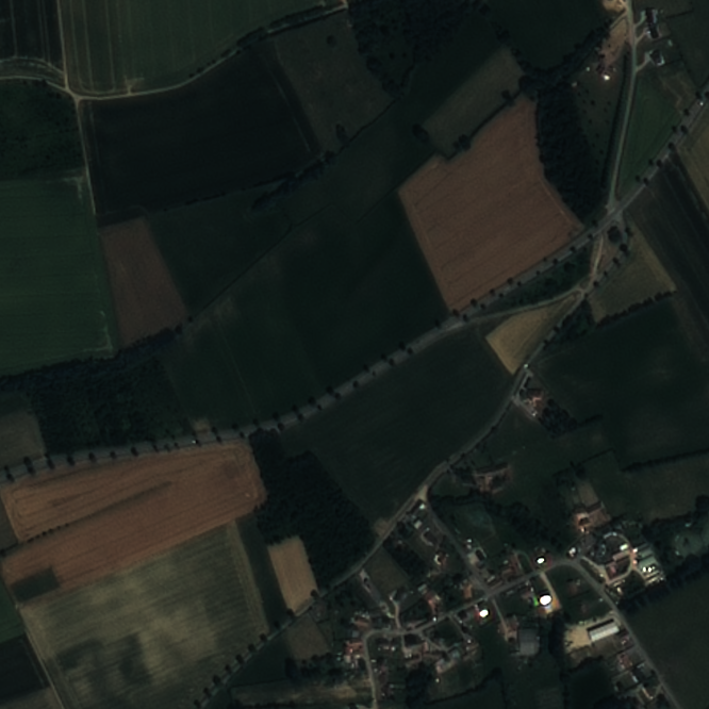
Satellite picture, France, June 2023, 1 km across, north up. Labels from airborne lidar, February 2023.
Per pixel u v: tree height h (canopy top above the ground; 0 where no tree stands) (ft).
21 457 0
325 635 0
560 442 0
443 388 0
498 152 0
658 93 0
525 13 0
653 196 0
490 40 0
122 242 0
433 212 0
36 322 0
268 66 0
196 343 0
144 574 0
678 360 0
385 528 0
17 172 0
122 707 0
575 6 0
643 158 0
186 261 0
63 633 0
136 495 0
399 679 0
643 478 0
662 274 0
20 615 0
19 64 0
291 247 0
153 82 0
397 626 0
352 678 0
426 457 0
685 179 0
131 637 0
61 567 0
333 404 0
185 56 0
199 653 0
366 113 0
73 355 0
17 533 0
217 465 0
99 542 0
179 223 0
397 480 0
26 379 50
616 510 0
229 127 0
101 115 0
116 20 0
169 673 0
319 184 0
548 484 0
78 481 0
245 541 0
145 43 0
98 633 0
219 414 0
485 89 0
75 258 0
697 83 0
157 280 0
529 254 0
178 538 0
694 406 0
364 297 0
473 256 0
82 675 0
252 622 0
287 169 0
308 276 0
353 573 0
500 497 0
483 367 0
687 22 0
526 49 0
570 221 0
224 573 0
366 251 0
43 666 0
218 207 0
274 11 0
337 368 0
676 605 0
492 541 0
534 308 0
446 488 0
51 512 0
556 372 0
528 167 0
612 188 0
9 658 0
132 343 0
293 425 0
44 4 0
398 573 0
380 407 0
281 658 0
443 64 0
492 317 0
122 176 0
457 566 0
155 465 0
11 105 0
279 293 0
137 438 18
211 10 0
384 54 0
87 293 0
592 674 0
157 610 0
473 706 0
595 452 0
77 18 0
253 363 0
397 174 0
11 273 0
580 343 0
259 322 0
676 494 0
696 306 0
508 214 0
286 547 0
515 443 0
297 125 0
